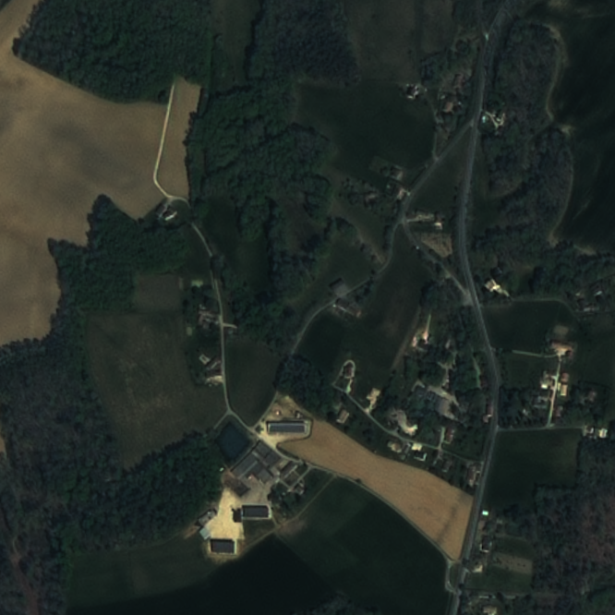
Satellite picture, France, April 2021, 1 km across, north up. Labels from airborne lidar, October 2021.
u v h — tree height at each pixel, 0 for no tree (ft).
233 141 65
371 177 0
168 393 0
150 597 0
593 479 40
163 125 0
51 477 78
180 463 58
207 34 60
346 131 0
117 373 0
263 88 95
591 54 0
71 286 83
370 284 19
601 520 51
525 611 23
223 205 0
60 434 60
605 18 0
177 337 0
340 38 69
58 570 47
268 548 0
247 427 0
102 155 0
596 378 0
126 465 0
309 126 0
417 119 0
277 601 0
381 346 0
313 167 81
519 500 0
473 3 56
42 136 0
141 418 0
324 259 69
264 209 52
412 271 0
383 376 0
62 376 83
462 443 40
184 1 69
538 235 69
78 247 0
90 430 72
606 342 0
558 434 0
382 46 0
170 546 0
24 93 0
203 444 69
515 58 73
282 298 68
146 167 0
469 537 0
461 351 64
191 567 0
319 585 0
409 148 0
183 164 0
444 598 0
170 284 0
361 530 0
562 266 73
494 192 60
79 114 0
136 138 0
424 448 0
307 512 0
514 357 0
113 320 0
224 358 0
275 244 91
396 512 0
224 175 70
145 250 63
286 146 81
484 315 0
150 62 76
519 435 0
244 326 61
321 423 46
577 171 0
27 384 87
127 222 59
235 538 0
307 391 80
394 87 0
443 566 0
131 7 62
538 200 47
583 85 0
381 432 0
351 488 0
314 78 82
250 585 0
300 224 0
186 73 64
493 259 68
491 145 81
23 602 54
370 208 55
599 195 0
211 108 61
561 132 20
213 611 0
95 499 65
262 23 68
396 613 0
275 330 84
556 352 18
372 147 0
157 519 57
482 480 0
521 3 69
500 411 26
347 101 0
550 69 66
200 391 0
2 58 0
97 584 0
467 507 0
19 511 75
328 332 0
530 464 0
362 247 23
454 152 0
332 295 34
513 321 0
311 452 0
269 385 0
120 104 49
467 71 37
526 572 0
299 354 0
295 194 63
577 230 0
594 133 0
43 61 77
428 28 0
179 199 0
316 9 58
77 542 69
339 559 0
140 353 0
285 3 74
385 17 0
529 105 66
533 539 63
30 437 47
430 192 0
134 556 0
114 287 73
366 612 43
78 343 69
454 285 58
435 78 49
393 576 0
